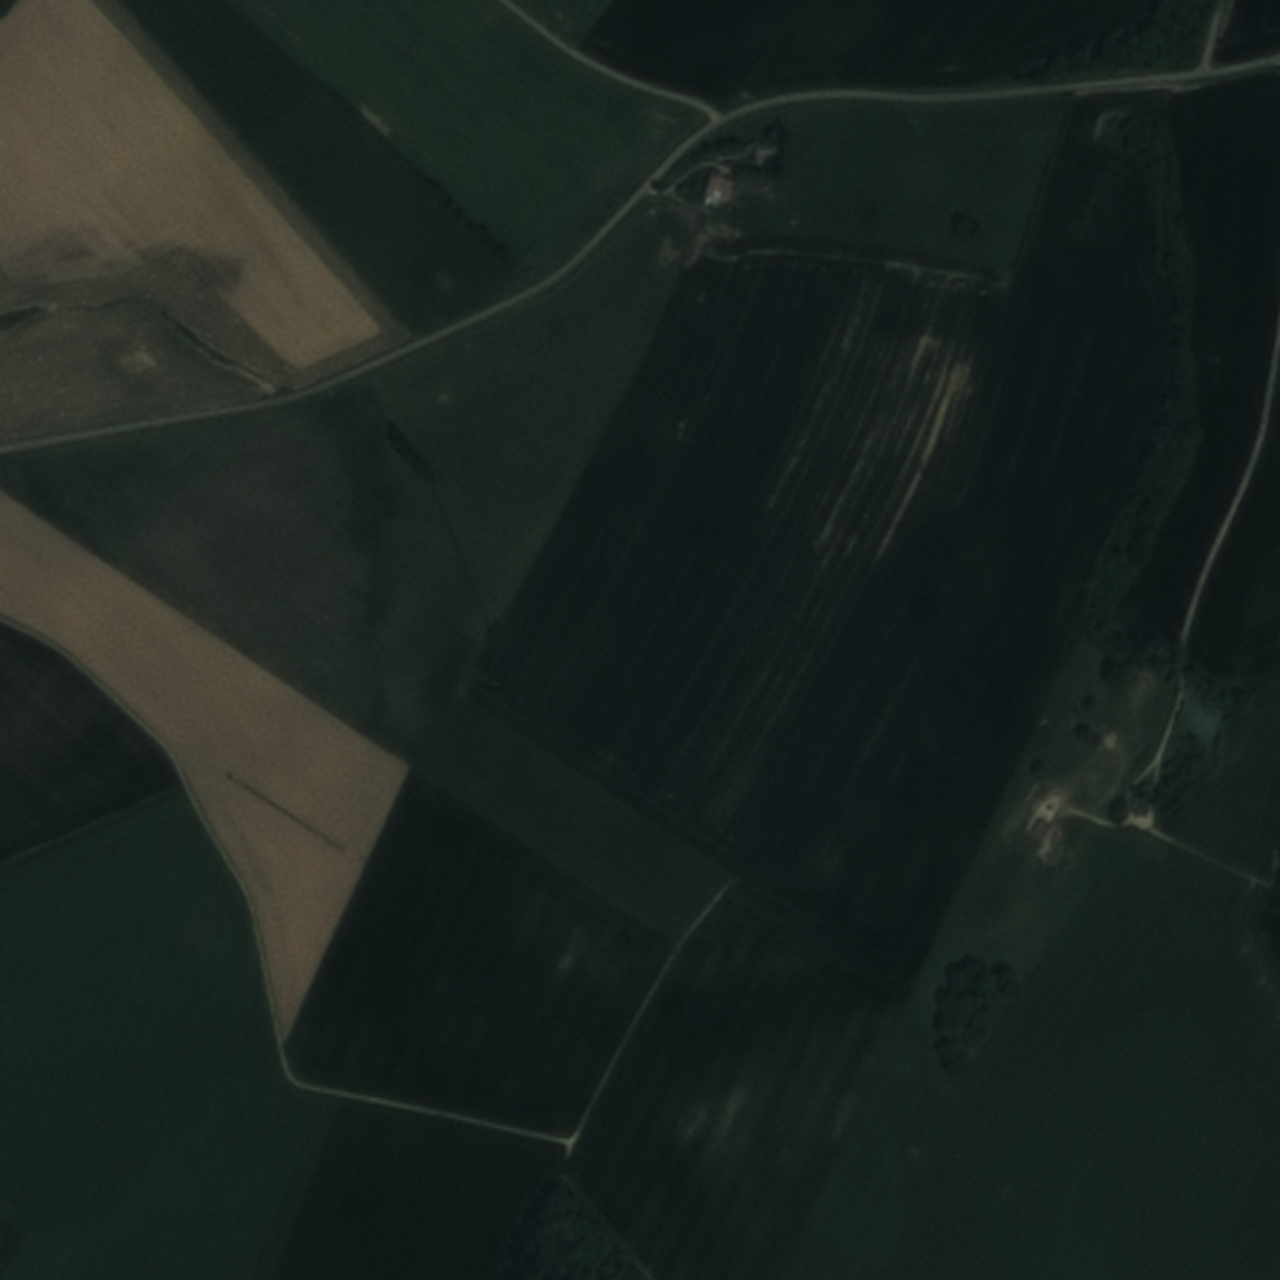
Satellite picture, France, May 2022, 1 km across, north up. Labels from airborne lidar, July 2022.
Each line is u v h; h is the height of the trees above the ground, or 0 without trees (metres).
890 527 0
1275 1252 0
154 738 0
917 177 0
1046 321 0
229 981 0
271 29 0
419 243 0
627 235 0
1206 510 0
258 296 0
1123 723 0
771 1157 0
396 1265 0
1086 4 0
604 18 0
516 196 0
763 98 0
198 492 0
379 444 0
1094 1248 0
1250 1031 0
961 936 0
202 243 0
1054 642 0
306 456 0
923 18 0
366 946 0
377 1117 0
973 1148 0
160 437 0
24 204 0
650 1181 0
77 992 0
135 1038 0
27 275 0
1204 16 20
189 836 0
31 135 0
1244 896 0
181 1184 0
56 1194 0
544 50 0
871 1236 0
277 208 0
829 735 0
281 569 0
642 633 0
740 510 0
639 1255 0
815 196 0
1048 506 0
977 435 0
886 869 0
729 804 0
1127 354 0
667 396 0
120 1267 0
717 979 0
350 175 0
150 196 0
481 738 0
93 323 0
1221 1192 0
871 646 0
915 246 0
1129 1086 0
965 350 0
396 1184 0
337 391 0
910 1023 0
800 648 0
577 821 0
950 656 0
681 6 0
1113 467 0
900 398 0
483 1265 0
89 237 0
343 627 0
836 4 0
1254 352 0
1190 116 0
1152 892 0
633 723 0
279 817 0
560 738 0
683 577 0
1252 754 0
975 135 0
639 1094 0
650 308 0
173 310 0
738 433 0
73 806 0
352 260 0
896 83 0
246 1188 0
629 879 0
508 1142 0
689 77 0
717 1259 0
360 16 0
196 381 0
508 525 0
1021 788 0
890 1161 0
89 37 0
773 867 0
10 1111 0
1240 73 0
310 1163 0
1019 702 0
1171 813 8
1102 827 0
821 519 0
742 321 0
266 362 0
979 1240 0
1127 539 7
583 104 0
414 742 0
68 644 0
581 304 0
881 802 0
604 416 0
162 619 0
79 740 0
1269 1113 0
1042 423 0
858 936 0
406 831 0
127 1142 0
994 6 0
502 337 0
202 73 0
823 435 0
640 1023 0
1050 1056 0
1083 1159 0
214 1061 0
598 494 0
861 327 0
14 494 0
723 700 0
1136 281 0
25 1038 0
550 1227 27
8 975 0
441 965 0
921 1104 0
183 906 0
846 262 0
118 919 0
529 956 0
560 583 0
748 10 0
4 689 0
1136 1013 0
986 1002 10
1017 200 0
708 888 0
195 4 0
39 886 0
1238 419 0
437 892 0
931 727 0
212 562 0
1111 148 0
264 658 0
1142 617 0
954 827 0
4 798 0
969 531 0
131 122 0
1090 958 0
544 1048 0
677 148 0
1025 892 0
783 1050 0
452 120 0
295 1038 0
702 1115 0
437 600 0
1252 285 0
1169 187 8
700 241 0
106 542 0
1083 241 0
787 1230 0
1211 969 0
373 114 0
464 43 0
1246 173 0
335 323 0
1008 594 0
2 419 0
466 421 0
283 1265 0
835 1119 0
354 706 0
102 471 0
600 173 0
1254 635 0
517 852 0
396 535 0
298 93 0
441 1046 0
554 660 0
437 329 0
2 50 0
